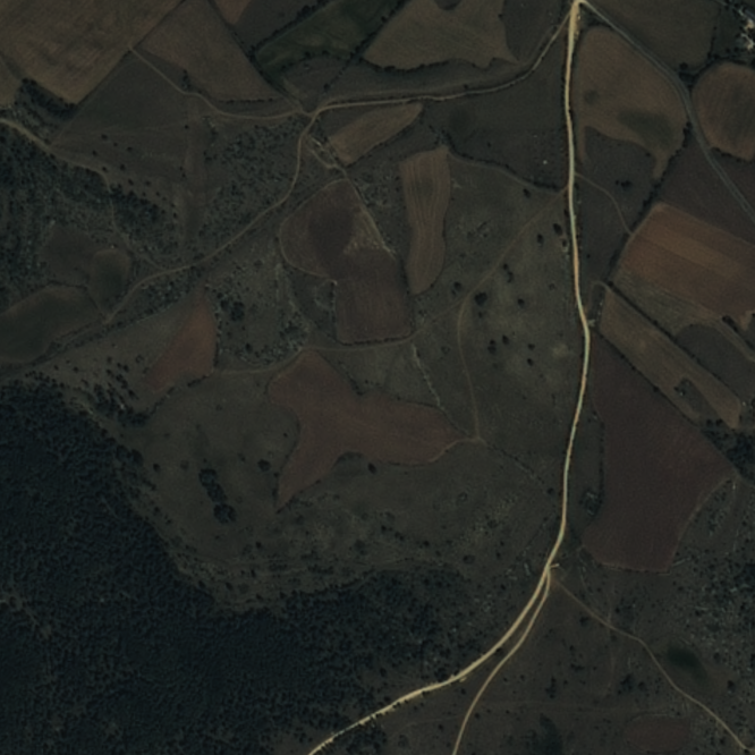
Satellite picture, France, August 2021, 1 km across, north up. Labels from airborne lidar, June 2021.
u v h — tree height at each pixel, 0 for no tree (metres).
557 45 0
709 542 0
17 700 12
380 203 0
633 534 0
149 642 12
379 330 0
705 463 0
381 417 0
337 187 0
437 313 0
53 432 9
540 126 0
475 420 0
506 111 0
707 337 0
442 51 0
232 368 0
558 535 0
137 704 16
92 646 7
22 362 0
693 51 0
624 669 0
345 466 0
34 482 13
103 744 10
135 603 9
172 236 0
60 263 0
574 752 0
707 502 0
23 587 8
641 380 0
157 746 7
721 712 0
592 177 0
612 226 0
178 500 0
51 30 0
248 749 9
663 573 0
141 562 9
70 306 0
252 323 0
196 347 0
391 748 0
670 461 0
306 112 0
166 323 0
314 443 0
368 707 7
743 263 0
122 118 0
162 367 0
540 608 0
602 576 0
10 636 15
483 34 0
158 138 0
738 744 0
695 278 0
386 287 0
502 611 0
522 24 0
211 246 0
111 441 8
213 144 0
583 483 0
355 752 9
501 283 0
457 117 0
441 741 0
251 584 0
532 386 0
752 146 0
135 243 0
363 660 6
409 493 0
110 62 0
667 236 0
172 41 0
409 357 0
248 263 0
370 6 0
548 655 0
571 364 0
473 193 0
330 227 0
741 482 0
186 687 8
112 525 10
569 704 0
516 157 0
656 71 0
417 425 0
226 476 0
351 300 0
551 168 0
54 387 7
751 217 0
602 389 0
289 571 0
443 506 0
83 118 0
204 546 0
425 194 0
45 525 13
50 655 9
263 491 0
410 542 0
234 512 12
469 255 0
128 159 0
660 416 0
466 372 0
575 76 0
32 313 0
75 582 13
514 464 0
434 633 9
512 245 0
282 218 0
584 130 0
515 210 0
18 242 7
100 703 9
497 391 0
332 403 0
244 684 9
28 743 8
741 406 0
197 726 9
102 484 11
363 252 0
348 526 0
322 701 11
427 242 0
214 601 11
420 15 0
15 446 14
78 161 0
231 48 0
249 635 14
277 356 0
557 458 0
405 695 0
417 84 0
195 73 0
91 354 0
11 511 16
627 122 0
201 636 14
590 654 0
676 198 0
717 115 0
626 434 0
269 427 0
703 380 0
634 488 0
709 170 0
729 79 0
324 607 9
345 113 0
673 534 0
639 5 0
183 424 0
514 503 0
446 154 0
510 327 0
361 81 0
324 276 0
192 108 0
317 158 0
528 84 0
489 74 0
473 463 0
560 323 0
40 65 0
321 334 0
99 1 0
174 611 11
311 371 0
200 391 0
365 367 0
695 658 0
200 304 0
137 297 0
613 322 0
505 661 0
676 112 0
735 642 0
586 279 0
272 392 0
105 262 0
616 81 0
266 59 0
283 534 0
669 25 0
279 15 0
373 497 0
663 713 0
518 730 0
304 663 11
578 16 0
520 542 0
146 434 0
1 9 0
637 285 0
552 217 0
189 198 0
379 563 0
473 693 0
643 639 0
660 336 0
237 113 0
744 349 0
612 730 0
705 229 0
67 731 11
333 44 0
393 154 0
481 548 0
